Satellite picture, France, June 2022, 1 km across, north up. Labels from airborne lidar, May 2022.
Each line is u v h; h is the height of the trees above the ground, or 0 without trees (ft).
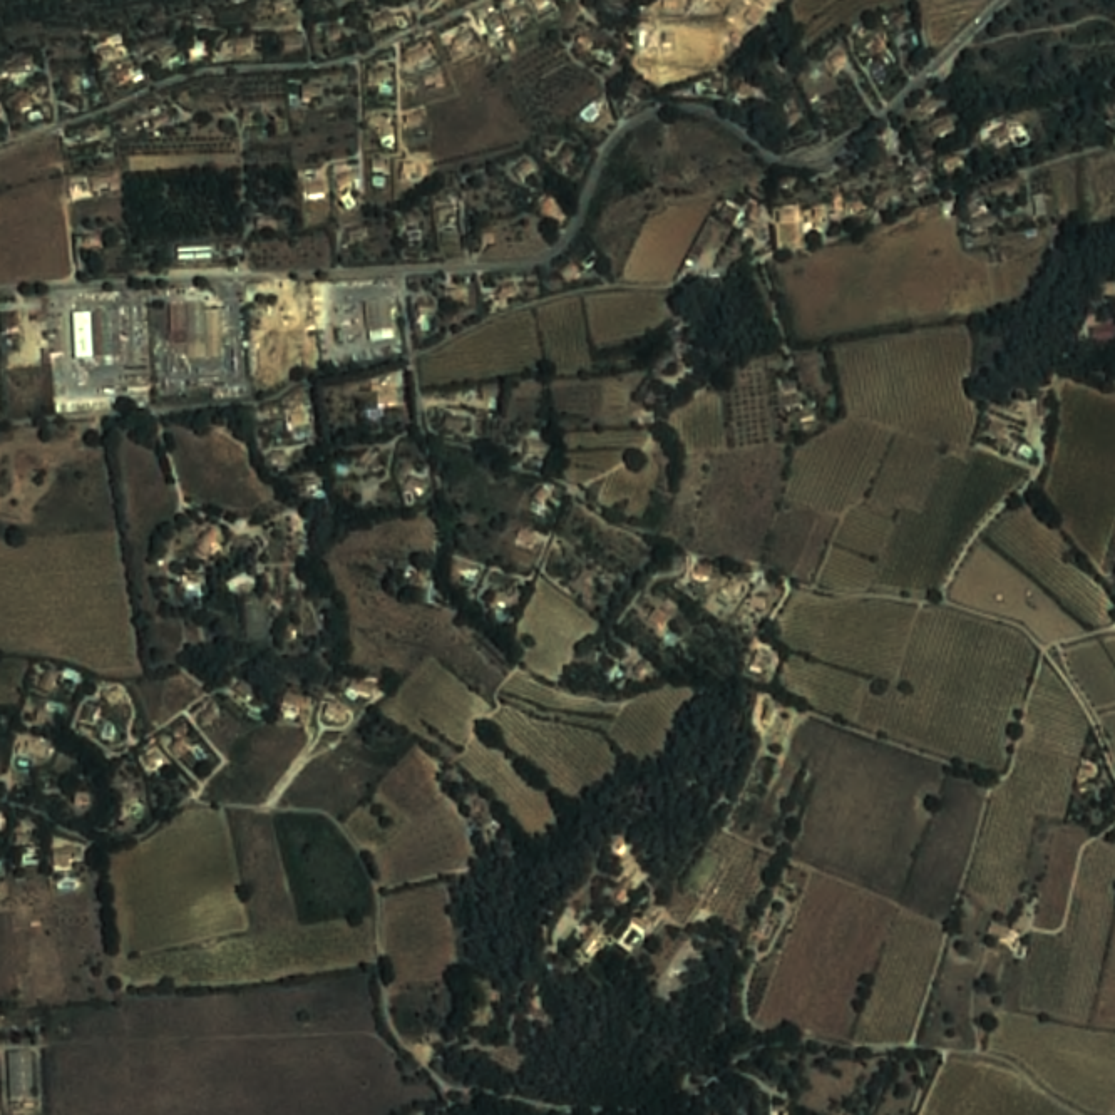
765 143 23
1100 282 69
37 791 26
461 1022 50
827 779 0
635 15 33
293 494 26
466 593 31
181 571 40
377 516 36
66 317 0
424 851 0
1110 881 0
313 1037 0
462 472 34
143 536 0
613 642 27
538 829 0
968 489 0
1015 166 62
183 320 0
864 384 0
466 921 21
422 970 0
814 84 0
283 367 0
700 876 0
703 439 0
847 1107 38
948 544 0
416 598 69
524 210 24
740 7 0
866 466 0
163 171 30
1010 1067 0
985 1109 0
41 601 0
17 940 0
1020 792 0
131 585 28
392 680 52
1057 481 0
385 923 0
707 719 65
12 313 0
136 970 0
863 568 0
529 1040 24
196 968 0
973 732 0
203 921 0
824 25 0
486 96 0
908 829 0
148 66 43
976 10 0
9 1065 0
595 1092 44
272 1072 0
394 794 0
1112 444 0
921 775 0
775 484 0
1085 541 0
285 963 0
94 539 0
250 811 0
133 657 0
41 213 0
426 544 0
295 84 20
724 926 39
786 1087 26
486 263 0
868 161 56
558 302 0
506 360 0
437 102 0
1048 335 61
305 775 0
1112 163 0
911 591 23
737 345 63
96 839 42
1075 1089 0
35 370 0
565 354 0
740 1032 58
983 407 38
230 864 0
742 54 44
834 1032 0
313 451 46
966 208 49
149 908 0
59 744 38
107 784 39
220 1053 0
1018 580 0
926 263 0
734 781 48
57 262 0
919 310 0
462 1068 56
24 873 31
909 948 0
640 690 33
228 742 0
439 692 0
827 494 0
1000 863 0
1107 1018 0
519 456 35
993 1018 44
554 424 32
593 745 0
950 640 0
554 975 67
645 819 25
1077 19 57
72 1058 0
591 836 54
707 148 0
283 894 0
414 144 0
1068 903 0
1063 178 0
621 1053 60
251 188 25
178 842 0
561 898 45
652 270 0
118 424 35
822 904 0
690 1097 36
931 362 0
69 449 0
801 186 28
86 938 0
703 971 77
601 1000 66
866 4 0
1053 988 0
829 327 0
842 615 0
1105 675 0
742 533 0
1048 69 50
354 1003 0
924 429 0
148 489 0
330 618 61
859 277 0
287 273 0
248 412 51
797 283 0
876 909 0
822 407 27
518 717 0
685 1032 60
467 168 33
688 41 0
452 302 41
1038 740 0
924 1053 41
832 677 0
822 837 0
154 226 28
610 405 0
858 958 0
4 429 31
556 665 0
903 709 0
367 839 0
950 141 50
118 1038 0
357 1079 0
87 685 26
